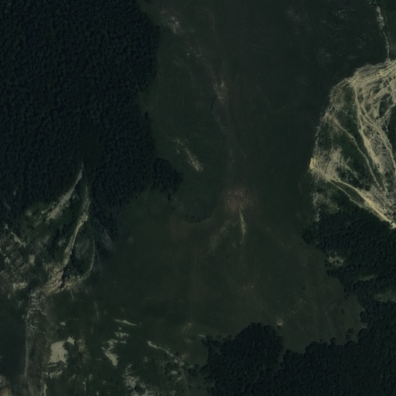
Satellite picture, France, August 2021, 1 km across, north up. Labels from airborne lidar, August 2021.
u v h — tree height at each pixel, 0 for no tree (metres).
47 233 0
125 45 31
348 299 9
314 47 0
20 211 13
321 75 0
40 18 19
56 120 25
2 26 22
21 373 0
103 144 9
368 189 15
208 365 13
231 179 0
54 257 9
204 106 0
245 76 0
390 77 0
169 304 0
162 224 0
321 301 0
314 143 0
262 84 0
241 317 0
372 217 15
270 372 20
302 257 0
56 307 0
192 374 11
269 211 0
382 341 15
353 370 24
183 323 0
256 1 0
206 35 0
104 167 10
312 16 0
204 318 0
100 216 12
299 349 0
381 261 26
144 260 0
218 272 0
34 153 15
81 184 11
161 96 0
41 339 0
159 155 0
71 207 9
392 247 19
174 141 0
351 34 0
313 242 10
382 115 11
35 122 13
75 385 0
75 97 14
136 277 0
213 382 13
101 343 0
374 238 26
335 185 0
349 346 17
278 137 0
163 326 0
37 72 23
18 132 18
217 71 0
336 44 0
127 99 8
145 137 23
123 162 14
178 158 0
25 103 25
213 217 0
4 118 14
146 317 0
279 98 0
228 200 0
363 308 8
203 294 0
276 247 0
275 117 0
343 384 23
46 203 12
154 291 0
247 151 0
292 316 0
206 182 0
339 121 0
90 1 15
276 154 0
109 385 0
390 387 18
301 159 0
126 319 0
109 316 0
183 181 11
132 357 0
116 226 7
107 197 10
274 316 0
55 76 19
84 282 0
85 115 14
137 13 23
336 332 0
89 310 0
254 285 0
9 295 0
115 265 0
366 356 23
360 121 0
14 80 16
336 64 0
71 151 16
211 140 0
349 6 0
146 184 13
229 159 0
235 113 0
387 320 29
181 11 0
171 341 0
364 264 15
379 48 0
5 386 0
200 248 0
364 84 0
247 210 0
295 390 19
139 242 0
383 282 19
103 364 0
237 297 0
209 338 11
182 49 0
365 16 0
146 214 0
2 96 24
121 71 19
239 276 0
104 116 20
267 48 0
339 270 10
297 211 0
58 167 22
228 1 0
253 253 0
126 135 27
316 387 18
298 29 0
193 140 0
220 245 0
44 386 0
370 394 24
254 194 0
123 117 18
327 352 21
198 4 0
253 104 0
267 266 0
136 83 6
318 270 0
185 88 0
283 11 0
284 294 0
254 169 0
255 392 20
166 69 0
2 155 17
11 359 0
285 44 0
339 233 13
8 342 0
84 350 0
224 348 15
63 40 17
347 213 10
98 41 20
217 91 0
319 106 0
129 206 7
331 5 0
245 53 0
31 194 14
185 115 0
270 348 16
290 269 0
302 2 0
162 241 0
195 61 0
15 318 0
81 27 13
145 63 13
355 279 13
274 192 0
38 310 0
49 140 19
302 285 0
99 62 9
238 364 22
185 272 0
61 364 0
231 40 0
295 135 0
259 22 0
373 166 0
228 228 0
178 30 0
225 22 0
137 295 0
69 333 0
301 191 0
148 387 0
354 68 0
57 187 13
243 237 0
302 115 0
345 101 0
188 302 0
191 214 0
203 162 0
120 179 15
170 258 0
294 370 23
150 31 24
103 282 0
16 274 0
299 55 0
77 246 0
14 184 9
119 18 13
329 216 9
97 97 10
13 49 24
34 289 0
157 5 0
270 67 0
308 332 0
